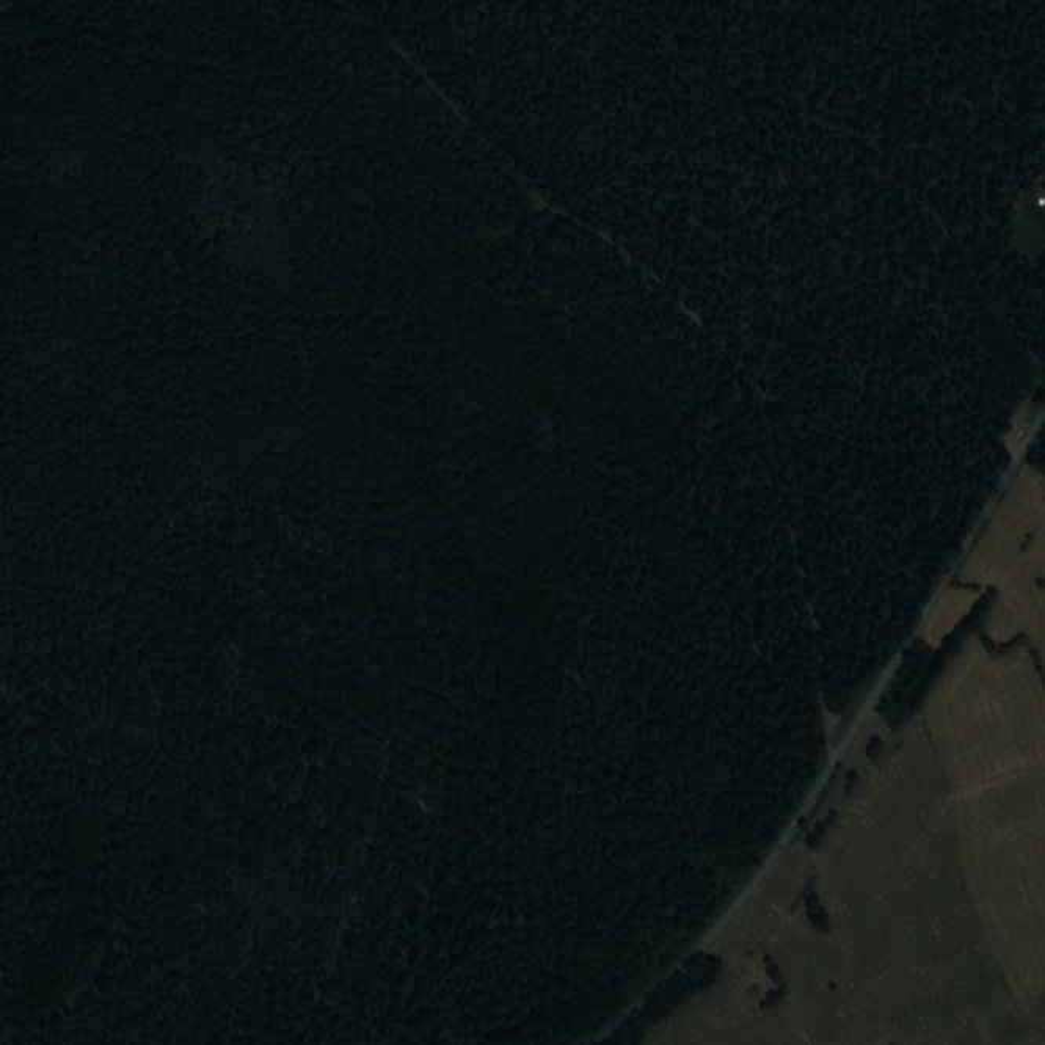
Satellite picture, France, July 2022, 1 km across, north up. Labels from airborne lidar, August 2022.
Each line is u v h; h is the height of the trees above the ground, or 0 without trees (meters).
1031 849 0
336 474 17
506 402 16
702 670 25
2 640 13
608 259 21
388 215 23
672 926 18
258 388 17
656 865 26
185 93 14
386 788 17
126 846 26
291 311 14
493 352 19
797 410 23
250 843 25
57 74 20
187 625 18
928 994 0
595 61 23
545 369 17
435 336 18
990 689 0
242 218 10
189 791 22
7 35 14
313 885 28
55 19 20
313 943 26
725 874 13
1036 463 15
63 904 12
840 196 13
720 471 21
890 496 15
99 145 18
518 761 25
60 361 23
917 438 29
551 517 19
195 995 22
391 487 18
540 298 17
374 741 15
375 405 18
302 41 19
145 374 26
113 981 23
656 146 26
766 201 25
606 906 28
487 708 18
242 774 24
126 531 23
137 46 17
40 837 16
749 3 19
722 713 23
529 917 26
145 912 26
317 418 17
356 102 22
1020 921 0
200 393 16
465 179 18
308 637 12
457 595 22
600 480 18
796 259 24
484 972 24
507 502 18
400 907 12
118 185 26
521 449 19
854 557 12
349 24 19
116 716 21
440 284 19
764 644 28
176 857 27
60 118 8
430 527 17
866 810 0
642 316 18
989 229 19
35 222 15
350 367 21
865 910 0
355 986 18
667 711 23
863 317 17
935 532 17
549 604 19
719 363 11
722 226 23
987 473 21
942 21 15
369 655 13
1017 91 17
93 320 20
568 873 31
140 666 16
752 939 0
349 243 18
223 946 27
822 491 20
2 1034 22
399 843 28
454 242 15
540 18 21
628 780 31
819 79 12
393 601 20
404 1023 23
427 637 18
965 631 16
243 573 25
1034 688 0
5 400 15
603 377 20
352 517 23
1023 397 13
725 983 0
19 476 14
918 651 10
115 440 21
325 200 22
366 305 19
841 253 8
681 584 22
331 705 18
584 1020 21
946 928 0
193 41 21
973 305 18
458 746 22
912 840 0
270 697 21
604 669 20
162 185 20
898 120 19
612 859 25
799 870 0
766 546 21
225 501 17
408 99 19
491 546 18
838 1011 0
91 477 20
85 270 22
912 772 0
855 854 0
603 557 18
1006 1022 0
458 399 17
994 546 0
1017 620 0
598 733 26
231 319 23
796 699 26
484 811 22
